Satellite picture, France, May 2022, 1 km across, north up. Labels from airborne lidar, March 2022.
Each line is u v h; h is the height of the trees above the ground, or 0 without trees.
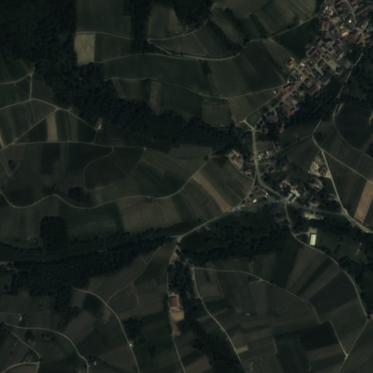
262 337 0
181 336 0
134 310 0
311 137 0
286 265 0
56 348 0
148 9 15
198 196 0
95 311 0
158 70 0
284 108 0
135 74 0
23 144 0
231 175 0
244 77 0
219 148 0
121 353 0
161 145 0
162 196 0
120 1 0
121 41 0
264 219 0
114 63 0
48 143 0
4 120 0
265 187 0
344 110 0
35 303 0
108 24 0
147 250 18
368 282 0
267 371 0
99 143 0
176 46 0
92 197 0
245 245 16
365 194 0
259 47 0
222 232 9
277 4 0
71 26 18
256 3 0
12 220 0
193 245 0
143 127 8
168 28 0
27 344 0
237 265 0
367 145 0
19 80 0
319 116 17
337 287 0
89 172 0
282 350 0
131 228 0
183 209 0
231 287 0
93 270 17
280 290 0
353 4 0
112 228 0
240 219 0
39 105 0
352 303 0
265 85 0
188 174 0
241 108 0
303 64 0
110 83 17
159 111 0
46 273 22
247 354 0
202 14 14
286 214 0
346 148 0
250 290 0
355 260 0
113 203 0
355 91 0
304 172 0
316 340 0
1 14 23
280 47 0
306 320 0
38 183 0
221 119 0
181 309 0
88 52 0
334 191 0
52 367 0
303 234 0
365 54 14
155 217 0
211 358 0
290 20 0
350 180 0
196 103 0
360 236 22
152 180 0
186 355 0
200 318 0
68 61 7
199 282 0
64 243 20
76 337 0
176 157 0
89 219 0
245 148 0
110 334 0
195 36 0
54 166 0
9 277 0
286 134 0
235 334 0
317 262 0
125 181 0
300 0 0
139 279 0
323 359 0
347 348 0
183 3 15
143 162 0
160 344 0
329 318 0
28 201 0
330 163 0
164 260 0
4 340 0
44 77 6
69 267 18
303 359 0
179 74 0
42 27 24
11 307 0
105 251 11
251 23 0
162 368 0
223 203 0
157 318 0
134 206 0
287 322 0
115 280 0
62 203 0
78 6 0
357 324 0
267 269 0
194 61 0
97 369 0
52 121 0
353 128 0
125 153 0
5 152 0
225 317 0
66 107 0
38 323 0
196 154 0
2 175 0
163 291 0
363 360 0
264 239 16
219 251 19
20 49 20
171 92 0
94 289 0
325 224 20
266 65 0
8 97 0
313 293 0
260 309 0
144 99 0
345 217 0
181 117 13
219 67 0
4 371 0
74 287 14
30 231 0
